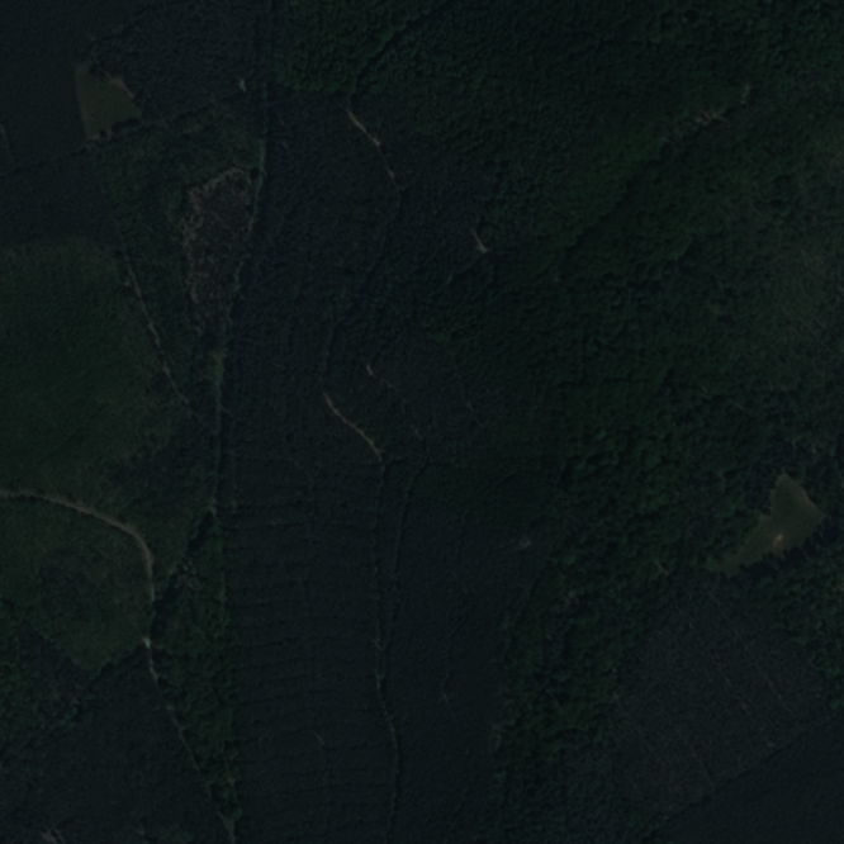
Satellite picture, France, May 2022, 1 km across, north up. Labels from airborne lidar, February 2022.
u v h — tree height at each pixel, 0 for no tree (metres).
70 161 18
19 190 18
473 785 19
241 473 16
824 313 26
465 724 18
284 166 22
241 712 20
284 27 28
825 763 19
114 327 11
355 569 19
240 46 27
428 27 31
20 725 25
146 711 23
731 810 14
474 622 18
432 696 18
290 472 18
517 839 35
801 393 28
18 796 19
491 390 19
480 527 18
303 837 18
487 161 24
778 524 0
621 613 29
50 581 15
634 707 26
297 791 16
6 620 26
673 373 27
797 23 34
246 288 25
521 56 28
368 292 22
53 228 18
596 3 27
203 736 28
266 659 20
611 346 29
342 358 22
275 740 17
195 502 13
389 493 19
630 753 26
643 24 33
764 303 23
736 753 21
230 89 24
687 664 24
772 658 25
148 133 14
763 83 21
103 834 24
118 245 18
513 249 25
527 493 18
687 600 24
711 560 20
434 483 0
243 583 17
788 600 32
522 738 30
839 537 33
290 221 27
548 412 29
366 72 23
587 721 28
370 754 18
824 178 25
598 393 34
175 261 10
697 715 22
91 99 0
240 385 23
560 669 21
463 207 24
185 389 20
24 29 16
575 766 34
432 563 20
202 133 12
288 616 15
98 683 21
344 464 19
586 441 33
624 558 27
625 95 26
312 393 22
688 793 21
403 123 23
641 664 25
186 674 31
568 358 32
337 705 17
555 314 29
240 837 20
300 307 23
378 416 20
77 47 16
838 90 21
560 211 27
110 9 17
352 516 19
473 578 20
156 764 22
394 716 15
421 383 20
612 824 30
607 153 24
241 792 17
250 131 12
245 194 21
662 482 28
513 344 27
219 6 25
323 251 25
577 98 20
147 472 13
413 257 22
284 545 16
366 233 24
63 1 19
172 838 21
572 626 29
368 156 25
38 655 26
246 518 17
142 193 14
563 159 15
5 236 18
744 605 23
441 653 18
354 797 19
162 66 26
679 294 33
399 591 18
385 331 21
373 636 20
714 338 18
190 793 23
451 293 26
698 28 34
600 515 30
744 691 24
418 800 20
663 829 17
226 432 24
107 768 20
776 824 16
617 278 29
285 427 21
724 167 31
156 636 27
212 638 28
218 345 24
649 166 30
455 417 23
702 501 25
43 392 0
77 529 12
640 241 35
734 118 20
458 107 24
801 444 31
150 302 15
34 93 17
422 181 23
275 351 26
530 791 25
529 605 29
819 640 29
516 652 28
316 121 23
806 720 24
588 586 22
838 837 19
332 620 18
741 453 31
